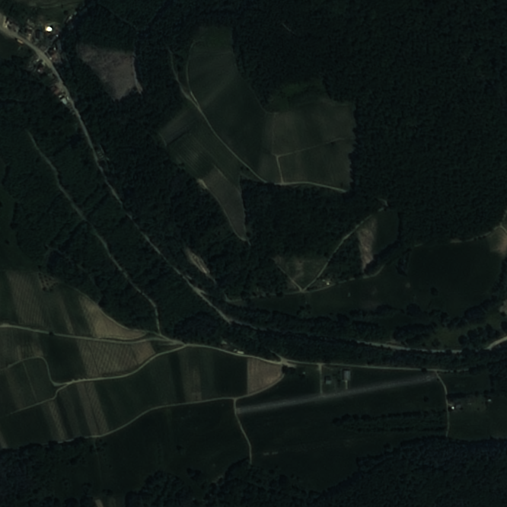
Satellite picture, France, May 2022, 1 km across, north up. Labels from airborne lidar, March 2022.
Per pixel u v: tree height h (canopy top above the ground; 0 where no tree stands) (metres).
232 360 0
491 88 24
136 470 0
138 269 25
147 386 0
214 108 0
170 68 12
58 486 0
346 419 14
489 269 0
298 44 21
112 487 0
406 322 0
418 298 0
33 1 0
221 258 14
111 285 25
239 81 0
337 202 21
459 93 24
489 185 22
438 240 19
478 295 0
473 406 0
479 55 24
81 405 0
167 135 0
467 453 27
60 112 13
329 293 0
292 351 15
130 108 12
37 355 0
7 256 0
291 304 0
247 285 6
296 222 25
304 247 17
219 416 0
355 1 18
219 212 6
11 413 0
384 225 0
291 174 0
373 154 22
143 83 15
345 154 0
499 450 32
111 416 0
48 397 0
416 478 24
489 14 31
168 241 23
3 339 0
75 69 19
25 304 0
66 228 24
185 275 8
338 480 0
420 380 0
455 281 0
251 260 13
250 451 0
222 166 0
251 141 0
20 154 16
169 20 22
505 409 0
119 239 16
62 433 0
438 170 21
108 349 0
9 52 0
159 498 13
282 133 0
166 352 0
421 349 0
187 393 0
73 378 0
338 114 0
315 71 25
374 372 0
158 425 0
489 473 24
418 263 0
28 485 22
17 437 0
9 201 0
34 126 22
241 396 0
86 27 21
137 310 24
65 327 0
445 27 26
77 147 24
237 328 17
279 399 0
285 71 20
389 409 0
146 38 19
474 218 21
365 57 22
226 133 0
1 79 26
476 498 16
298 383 0
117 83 0
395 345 0
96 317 0
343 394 0
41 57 0
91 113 18
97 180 17
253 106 0
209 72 0
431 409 0
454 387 0
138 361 0
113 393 0
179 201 16
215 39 0
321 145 0
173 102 9
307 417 0
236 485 16
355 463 0
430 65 21
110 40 16
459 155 22
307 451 0
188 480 0
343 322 21
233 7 6
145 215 25
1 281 0
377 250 0
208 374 0
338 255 5
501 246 0
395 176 23
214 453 0
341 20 24
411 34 22
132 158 16
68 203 24
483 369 12
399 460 23
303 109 0
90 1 23
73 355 0
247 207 14
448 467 23
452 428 0
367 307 0
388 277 0
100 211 19
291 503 17
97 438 0
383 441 0
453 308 0
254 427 0
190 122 0
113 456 0
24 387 0
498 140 24
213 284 17
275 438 0
